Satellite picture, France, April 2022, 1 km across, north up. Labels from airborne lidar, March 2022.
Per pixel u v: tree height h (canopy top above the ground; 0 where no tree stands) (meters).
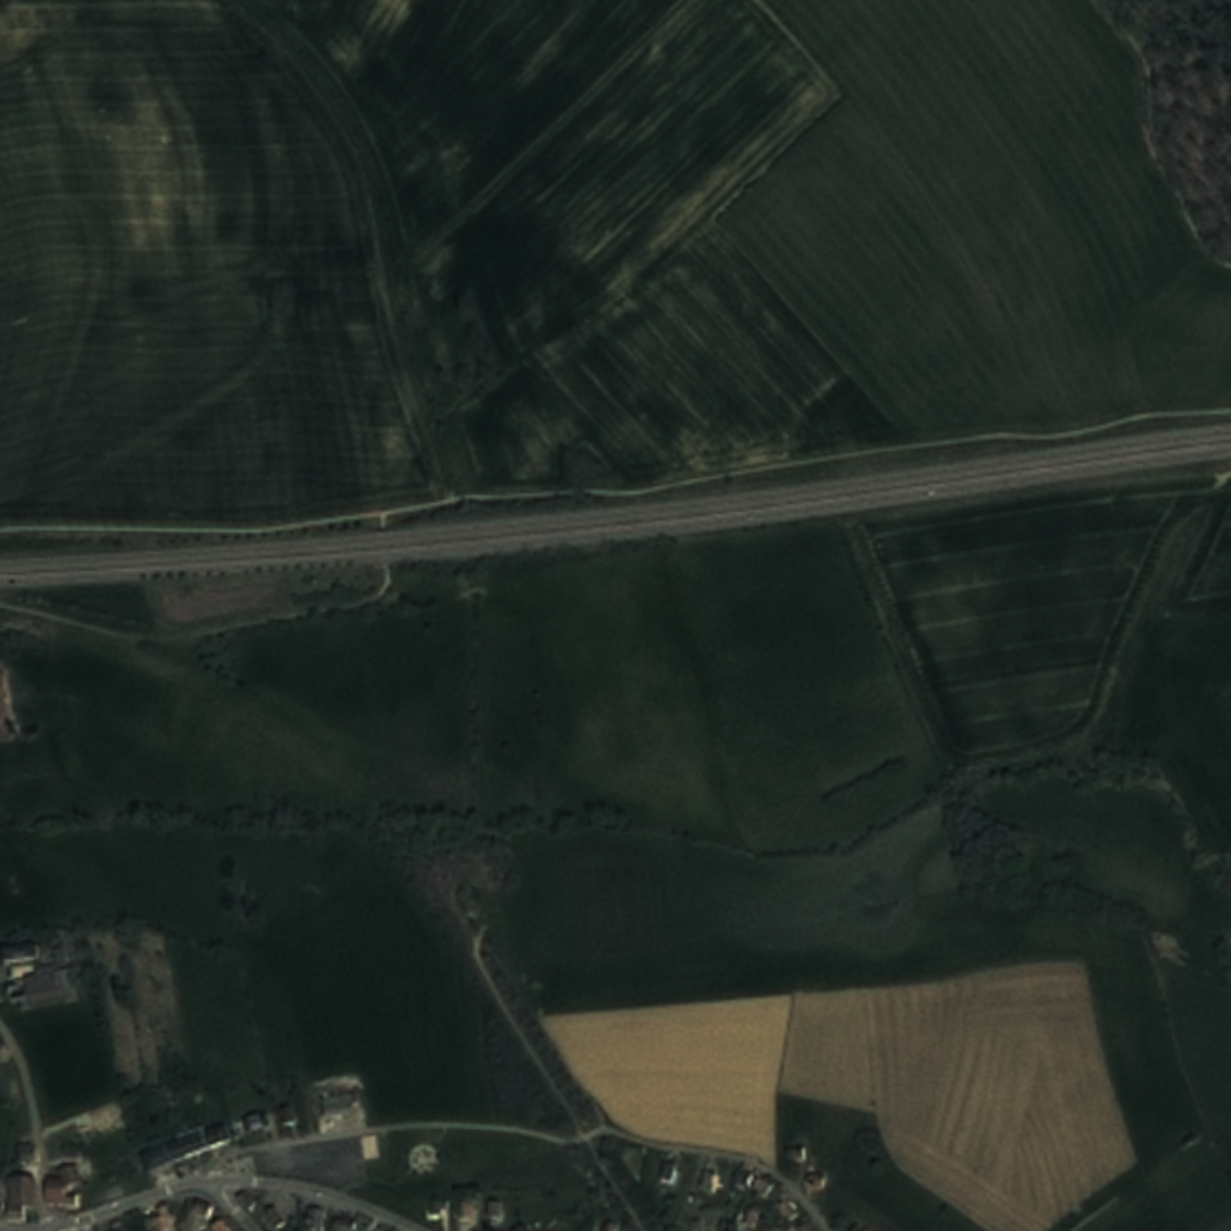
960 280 0
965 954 0
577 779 0
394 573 10
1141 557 0
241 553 0
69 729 0
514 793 0
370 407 0
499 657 0
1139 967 0
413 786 0
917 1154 0
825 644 0
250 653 0
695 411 0
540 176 0
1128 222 0
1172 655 0
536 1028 10
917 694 0
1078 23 0
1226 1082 0
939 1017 0
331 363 0
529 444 0
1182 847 0
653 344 0
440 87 0
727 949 0
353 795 0
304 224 0
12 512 0
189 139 0
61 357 0
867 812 0
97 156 0
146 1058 0
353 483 0
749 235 0
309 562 0
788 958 0
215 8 0
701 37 0
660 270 0
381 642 0
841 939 0
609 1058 0
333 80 0
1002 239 0
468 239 0
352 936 0
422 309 0
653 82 0
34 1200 0
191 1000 0
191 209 0
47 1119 0
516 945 0
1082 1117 0
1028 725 0
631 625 0
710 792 0
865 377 0
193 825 16
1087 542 0
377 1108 0
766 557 0
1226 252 21
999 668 0
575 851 0
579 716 0
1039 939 0
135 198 0
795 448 0
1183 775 0
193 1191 0
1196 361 0
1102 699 0
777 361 0
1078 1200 0
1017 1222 0
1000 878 19
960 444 0
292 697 0
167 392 0
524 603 0
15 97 0
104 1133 0
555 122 0
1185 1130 0
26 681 0
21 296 0
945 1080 0
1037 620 0
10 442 0
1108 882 0
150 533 0
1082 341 0
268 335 0
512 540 0
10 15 0
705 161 0
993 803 0
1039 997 0
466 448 0
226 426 0
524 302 0
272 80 0
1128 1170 0
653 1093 0
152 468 0
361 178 0
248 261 0
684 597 0
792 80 0
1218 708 0
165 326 0
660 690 0
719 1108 0
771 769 0
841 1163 0
